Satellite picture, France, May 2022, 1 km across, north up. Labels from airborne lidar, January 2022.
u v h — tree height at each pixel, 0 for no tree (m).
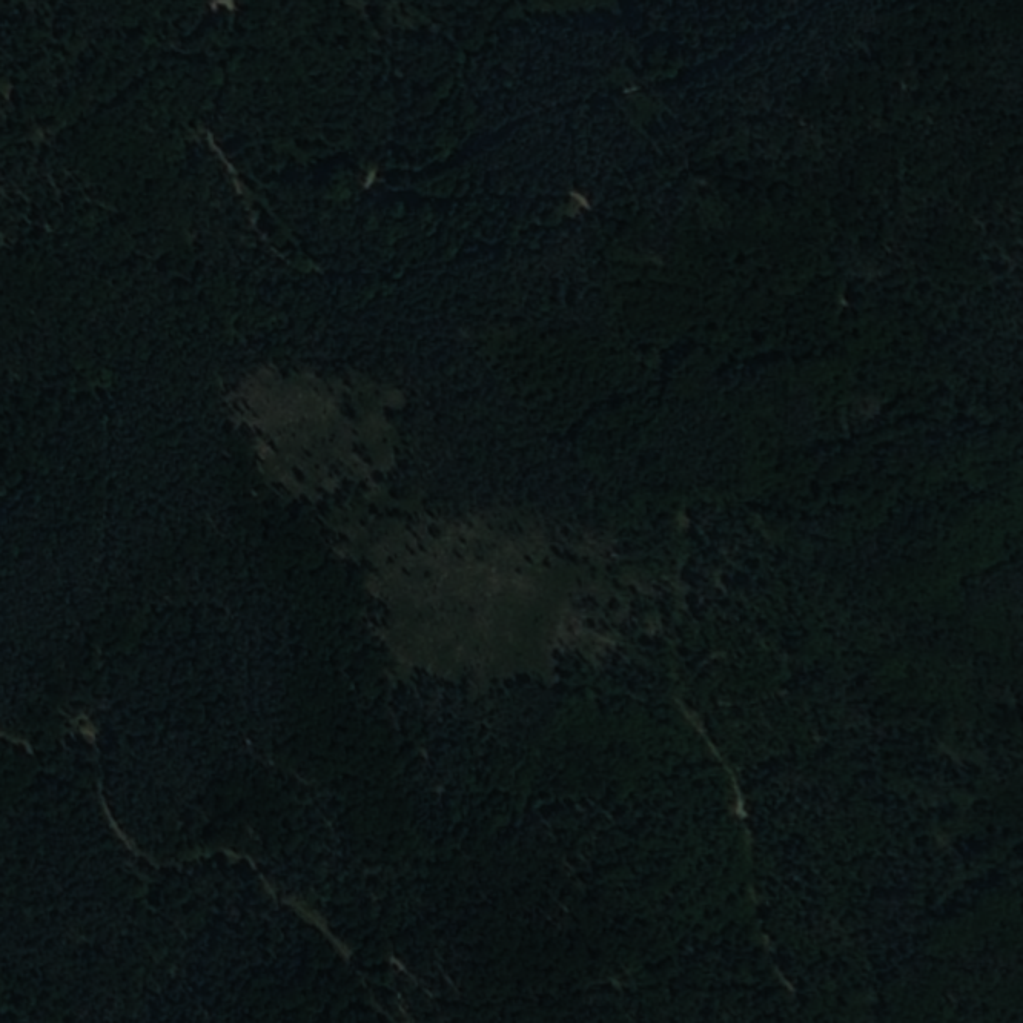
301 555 26
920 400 12
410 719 21
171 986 35
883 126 16
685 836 23
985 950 29
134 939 27
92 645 21
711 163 20
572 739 17
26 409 27
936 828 21
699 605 31
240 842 27
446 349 31
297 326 24
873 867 32
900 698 20
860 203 21
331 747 25
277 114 28
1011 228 25
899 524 24
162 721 22
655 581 27
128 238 22
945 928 31
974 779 17
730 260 17
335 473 15
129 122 24
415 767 20
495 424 24
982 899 32
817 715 20
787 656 21
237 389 16
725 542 26
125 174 18
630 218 23
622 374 9
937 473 27
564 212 0
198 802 18
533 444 26
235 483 22
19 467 27
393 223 29
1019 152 23
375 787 25
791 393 22
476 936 17
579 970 24
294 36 25
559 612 0
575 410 10
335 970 25
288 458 0
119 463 22
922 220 18
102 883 26
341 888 25
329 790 23
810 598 21
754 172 27
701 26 33
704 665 31
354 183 36
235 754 23
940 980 27
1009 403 21
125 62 27
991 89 11
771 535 22
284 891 18
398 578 0
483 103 31
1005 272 22
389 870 15
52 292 24
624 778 17
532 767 15
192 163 26
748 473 19
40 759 21
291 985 28
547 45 27
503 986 22
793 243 18
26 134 17
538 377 6
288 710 22
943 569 20
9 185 16
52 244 22
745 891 21
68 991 24
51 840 26
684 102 16
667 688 20
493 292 19
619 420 17
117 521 21
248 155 29
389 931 21
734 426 16
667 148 20
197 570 7
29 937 23
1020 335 20
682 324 9
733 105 20
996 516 20
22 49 21
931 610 19
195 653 29
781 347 10
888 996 21
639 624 28
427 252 25
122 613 25
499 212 20
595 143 21
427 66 32
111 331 26
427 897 23
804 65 20
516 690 18
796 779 21
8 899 24
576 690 20
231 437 21
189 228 17
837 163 22
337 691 22
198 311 23
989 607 20
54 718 26
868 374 19
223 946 31
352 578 20
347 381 18
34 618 20
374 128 30
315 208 33
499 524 0
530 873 19
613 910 25
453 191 27
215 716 26
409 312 27
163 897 25
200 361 19
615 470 18
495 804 21
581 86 24
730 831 21
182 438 22
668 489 21
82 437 28
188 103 28
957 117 16
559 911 23
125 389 22
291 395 0
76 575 21
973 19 25
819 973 23
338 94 31
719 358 8
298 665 23
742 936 23
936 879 27
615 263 20
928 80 24
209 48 26
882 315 26
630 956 19
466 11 27
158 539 21
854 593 24
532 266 21
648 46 28
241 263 30
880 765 13
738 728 23
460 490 22
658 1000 20
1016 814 18
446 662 0
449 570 0
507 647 0
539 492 27
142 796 21
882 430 18
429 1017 19
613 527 22
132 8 24
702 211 21
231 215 22
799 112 20
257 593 32
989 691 24
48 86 23
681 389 18
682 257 13
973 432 34
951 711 24
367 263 28
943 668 18
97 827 24
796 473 15
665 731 22
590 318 17
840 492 29
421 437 22
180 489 23
